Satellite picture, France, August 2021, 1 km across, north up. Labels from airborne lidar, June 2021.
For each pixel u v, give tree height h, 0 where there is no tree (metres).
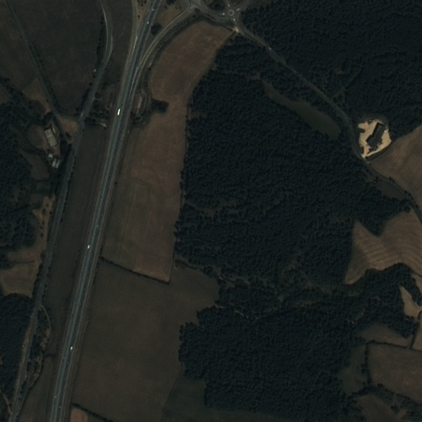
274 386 17
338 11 14
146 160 0
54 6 0
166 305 0
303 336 18
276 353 16
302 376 13
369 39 19
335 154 19
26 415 0
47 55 0
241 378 14
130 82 0
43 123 7
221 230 15
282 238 15
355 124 14
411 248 0
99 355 0
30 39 0
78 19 0
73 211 0
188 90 0
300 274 10
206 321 15
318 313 17
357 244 0
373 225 13
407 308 0
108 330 0
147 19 0
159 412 0
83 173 0
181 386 0
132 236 0
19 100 9
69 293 0
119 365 0
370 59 14
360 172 12
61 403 0
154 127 0
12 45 0
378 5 13
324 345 7
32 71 0
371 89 18
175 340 0
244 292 13
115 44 0
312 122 0
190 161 15
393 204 17
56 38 0
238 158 19
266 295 15
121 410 0
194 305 0
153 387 0
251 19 11
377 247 0
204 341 13
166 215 0
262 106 20
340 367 12
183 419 0
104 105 0
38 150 8
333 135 0
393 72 11
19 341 14
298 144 9
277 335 17
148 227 0
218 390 14
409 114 12
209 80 13
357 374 0
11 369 14
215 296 0
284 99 0
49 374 0
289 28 17
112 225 0
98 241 0
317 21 16
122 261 0
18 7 0
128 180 0
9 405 7
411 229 0
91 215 0
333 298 8
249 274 11
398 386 0
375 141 0
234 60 20
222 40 0
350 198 15
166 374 0
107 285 0
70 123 0
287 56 15
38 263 0
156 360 0
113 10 0
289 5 11
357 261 0
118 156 0
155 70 0
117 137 0
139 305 0
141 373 0
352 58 14
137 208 0
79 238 0
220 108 9
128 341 0
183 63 0
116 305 0
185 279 0
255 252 15
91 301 0
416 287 10
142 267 0
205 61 0
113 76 0
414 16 16
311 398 15
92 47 0
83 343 0
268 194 15
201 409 0
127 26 0
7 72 0
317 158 19
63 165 13
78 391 0
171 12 0
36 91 0
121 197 0
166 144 0
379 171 0
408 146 0
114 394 0
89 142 0
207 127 20
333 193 16
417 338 0
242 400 18
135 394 0
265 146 15
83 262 0
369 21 17
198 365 19
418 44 18
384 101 12
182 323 0
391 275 14
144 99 0
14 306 11
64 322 0
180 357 9
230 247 12
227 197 8
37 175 0
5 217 11
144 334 0
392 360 0
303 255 7
